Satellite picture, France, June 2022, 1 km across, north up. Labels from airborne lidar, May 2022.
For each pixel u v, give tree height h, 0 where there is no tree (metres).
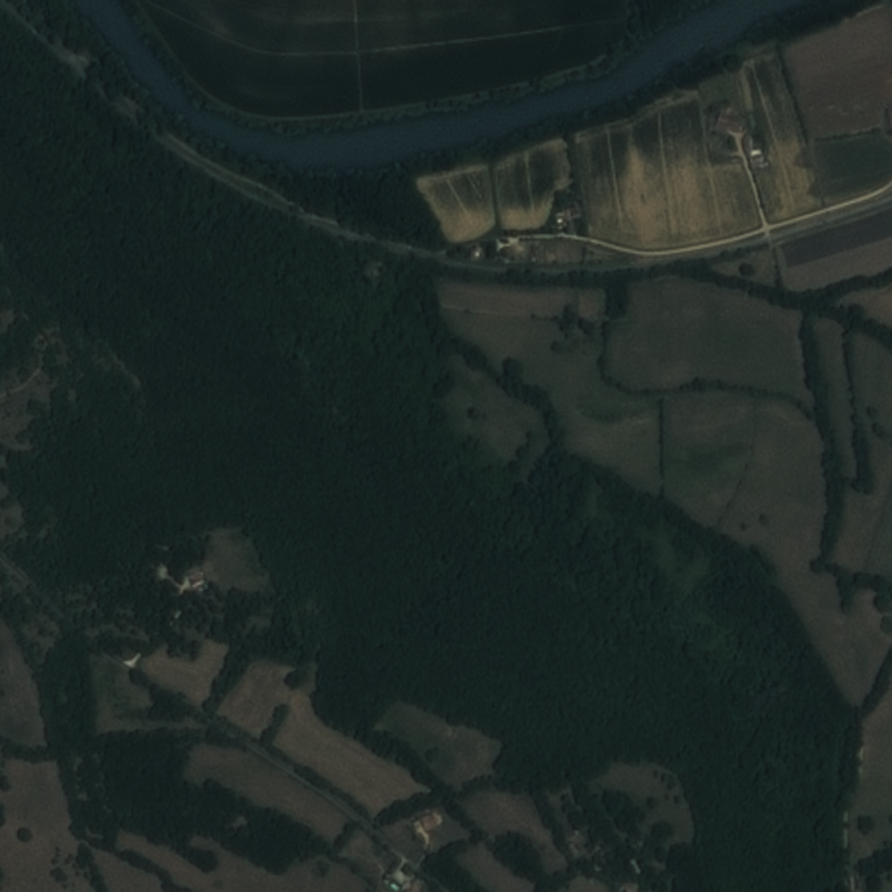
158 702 12
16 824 0
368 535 11
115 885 0
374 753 8
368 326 9
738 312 0
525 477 0
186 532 12
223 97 0
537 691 13
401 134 0
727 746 11
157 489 9
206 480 14
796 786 7
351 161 0
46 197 19
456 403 0
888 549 0
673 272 10
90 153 14
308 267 16
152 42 10
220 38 0
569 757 11
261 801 0
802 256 0
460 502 19
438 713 12
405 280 10
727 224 0
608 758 11
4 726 0
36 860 0
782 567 0
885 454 0
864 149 0
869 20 0
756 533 0
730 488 0
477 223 0
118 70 25
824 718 17
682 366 0
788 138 0
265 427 16
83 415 9
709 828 11
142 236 17
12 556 7
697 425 0
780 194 0
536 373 0
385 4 0
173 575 11
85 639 12
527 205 0
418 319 13
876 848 0
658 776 9
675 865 13
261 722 0
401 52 0
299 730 0
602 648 13
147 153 20
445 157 15
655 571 18
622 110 25
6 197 17
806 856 8
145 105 12
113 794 9
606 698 9
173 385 10
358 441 18
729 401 0
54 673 8
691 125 0
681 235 0
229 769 0
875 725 0
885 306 0
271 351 12
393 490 16
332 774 0
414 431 17
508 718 9
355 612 14
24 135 20
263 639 8
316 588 11
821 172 0
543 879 10
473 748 0
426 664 18
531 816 0
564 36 0
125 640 9
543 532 18
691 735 15
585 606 19
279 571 11
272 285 16
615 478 13
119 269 17
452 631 17
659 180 0
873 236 0
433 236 19
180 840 9
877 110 0
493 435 0
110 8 0
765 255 0
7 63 11
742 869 15
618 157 0
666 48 0
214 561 0
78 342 5
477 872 0
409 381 9
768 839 15
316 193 17
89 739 10
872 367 0
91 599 11
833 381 0
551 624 15
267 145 0
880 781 0
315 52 0
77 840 6
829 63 0
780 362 0
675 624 6
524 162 0
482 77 0
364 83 0
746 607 20
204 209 9
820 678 18
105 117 24
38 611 8
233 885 0
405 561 7
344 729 13
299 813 0
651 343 0
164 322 14
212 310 15
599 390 0
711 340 0
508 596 15
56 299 16
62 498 12
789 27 35
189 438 13
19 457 11
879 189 0
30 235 16
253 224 21
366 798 0
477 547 23
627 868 12
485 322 0
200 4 0
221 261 16
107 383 8
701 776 16
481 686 14
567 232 8
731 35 0
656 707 14
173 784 11
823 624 0
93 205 16
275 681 0
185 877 0
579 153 0
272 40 0
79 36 19
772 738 17
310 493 14
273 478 16
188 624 12
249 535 12
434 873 11
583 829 11
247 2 0
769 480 0
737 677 10
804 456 0
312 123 5
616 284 13
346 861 8
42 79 15
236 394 13
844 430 0
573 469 14
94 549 10
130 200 17
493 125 0
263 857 10
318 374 15
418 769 15
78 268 16
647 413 0
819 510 0
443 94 0
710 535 13
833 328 0
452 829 0
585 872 9
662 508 11
